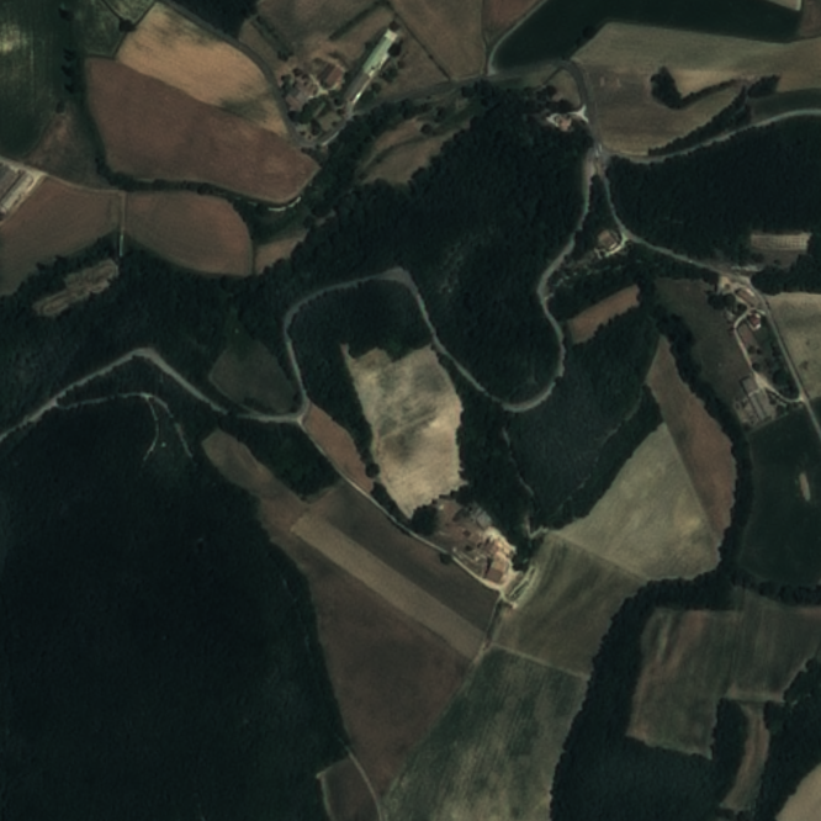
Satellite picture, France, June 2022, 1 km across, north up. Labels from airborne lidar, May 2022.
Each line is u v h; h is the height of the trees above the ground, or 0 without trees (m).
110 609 13
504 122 16
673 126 0
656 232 11
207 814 9
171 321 14
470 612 0
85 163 0
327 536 0
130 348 9
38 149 0
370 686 0
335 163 16
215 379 0
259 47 0
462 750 0
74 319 17
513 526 15
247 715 12
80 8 0
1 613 8
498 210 11
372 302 12
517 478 9
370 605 0
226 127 0
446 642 0
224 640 14
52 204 0
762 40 0
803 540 0
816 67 0
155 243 0
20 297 15
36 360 10
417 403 0
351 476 0
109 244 9
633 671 15
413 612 0
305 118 12
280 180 0
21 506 11
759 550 0
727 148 11
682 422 0
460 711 0
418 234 13
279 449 10
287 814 10
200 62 0
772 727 12
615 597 0
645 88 0
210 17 8
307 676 10
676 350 12
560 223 13
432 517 15
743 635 0
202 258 0
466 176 10
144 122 0
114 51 0
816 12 0
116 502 12
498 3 0
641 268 14
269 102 0
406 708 0
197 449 10
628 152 0
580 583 0
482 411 17
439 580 0
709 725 0
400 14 0
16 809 13
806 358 0
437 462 0
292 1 0
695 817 6
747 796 0
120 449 8
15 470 16
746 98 11
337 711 11
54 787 11
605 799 9
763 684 0
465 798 0
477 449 19
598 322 0
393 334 13
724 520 0
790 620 0
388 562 0
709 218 9
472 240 6
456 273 7
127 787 11
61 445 15
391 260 7
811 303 0
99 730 8
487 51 0
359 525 0
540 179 21
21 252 0
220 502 19
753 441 0
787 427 0
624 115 0
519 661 0
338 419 15
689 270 15
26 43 0
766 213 11
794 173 13
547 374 9
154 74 0
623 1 0
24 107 0
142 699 9
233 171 0
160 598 12
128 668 11
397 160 0
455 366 12
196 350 8
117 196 0
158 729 9
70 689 12
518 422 10
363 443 9
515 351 10
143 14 0
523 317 12
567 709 0
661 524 0
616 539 0
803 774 15
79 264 13
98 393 11
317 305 9
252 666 12
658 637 0
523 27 0
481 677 0
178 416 12
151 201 0
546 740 0
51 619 13
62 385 10
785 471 0
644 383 10
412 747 0
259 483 0
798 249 0
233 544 15
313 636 9
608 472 8
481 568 0
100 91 0
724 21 0
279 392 0
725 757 13
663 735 0
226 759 11
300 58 0
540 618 0
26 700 11
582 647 0
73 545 13
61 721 12
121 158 0
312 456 6
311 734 8
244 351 0
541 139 12
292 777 10
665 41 0
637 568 0
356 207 23
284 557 15
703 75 0
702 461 0
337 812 0
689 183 12
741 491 12
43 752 8
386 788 0
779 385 11
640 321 13
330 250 14
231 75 0
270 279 13
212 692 11
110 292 16
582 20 0
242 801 12
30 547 13
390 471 0
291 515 0
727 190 12
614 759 6
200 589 16
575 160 12
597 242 9
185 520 15
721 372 0
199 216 0
